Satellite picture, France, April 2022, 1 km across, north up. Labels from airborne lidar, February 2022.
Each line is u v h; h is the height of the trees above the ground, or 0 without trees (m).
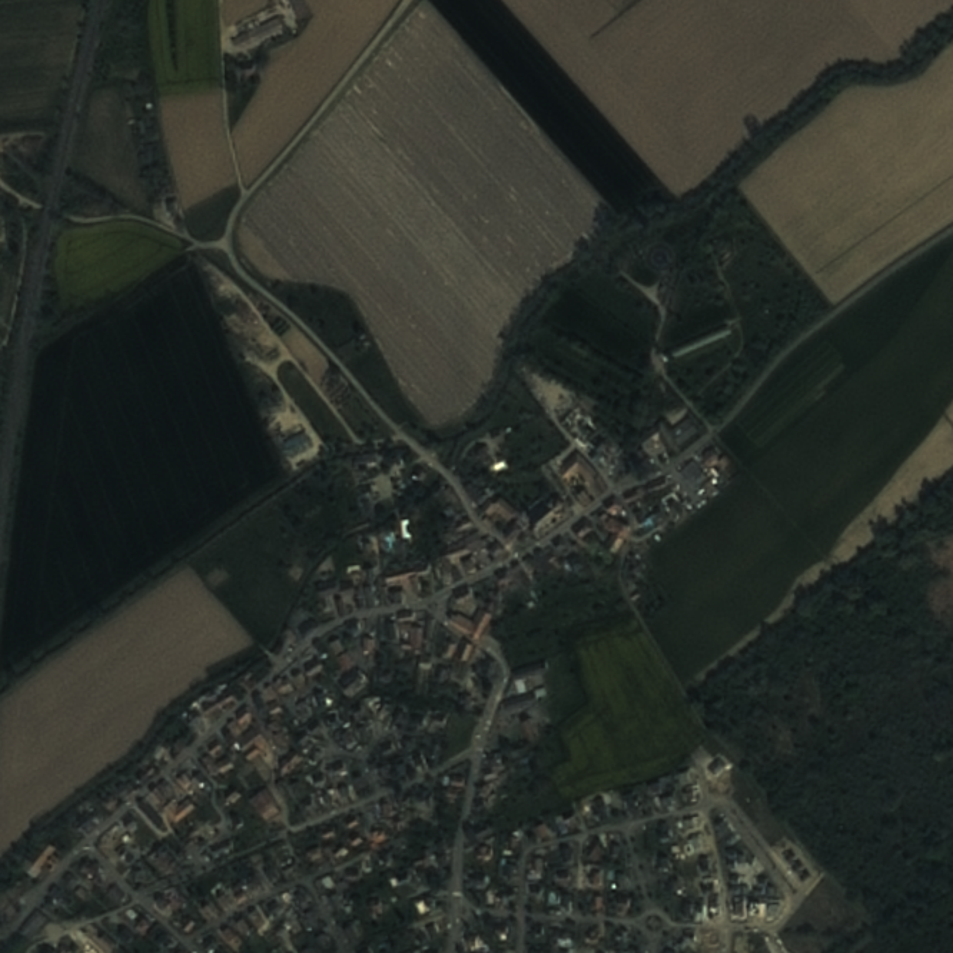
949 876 21
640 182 0
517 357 17
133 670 0
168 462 0
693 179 0
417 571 0
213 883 0
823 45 0
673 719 0
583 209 0
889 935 16
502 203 0
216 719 0
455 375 0
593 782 0
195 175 0
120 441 0
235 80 13
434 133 0
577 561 0
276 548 0
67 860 0
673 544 0
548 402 0
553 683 0
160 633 0
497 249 0
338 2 0
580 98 0
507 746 16
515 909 7
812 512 0
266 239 0
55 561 0
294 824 0
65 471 0
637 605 0
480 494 0
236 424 0
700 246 6
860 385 0
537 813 0
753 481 0
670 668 0
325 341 0
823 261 0
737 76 0
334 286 0
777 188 0
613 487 0
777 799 8
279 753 0
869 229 0
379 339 0
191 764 0
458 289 0
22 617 0
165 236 0
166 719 13
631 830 0
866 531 0
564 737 0
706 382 0
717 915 0
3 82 0
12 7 0
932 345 0
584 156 0
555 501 0
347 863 0
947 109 0
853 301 0
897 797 16
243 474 0
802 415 0
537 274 0
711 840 0
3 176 0
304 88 0
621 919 0
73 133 0
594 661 0
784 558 0
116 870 0
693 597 0
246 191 0
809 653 7
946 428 0
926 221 0
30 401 0
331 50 0
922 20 0
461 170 0
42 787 0
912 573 6
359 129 0
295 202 0
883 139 0
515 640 6
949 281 0
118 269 0
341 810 0
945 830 14
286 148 0
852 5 0
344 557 0
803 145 0
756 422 0
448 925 0
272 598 0
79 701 0
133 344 0
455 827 0
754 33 0
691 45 0
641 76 0
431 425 0
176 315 0
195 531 0
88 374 0
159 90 0
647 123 0
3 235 0
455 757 0
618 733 0
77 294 0
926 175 0
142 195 0
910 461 0
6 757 0
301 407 0
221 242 0
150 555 0
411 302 0
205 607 0
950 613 0
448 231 0
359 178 0
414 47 0
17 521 0
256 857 0
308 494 6
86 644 0
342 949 0
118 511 0
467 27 0
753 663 19
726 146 0
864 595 7
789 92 0
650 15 0
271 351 0
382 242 0
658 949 0
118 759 0
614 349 0
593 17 0
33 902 0
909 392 0
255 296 0
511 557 0
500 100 0
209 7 0
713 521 0
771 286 0
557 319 0
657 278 0
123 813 0
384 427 0
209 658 0
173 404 0
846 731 0
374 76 0
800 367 0
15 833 0
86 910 7
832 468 0
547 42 0
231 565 0
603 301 0
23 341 0
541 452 6
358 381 0
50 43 0
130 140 0
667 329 0
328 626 0
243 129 0
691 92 0
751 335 0
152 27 0
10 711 0
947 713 16
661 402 0
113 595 0
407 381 0
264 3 0
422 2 0
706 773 0
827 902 0
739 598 0
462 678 0
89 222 0
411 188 0
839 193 0
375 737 0
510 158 0
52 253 16
